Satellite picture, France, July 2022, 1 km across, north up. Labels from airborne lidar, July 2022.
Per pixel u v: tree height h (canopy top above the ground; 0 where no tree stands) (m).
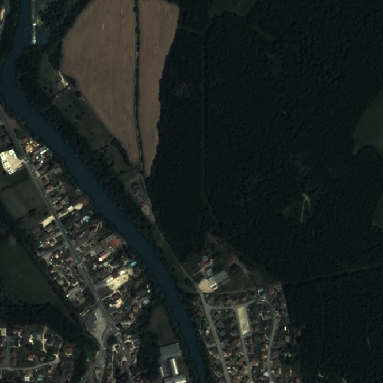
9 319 10
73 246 0
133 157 0
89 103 0
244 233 30
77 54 0
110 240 0
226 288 0
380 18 25
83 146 20
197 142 15
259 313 0
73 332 22
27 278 0
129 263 0
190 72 20
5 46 18
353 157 16
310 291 27
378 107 0
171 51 9
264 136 21
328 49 23
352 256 11
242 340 0
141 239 0
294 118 25
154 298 16
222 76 21
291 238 29
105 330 0
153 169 18
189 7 24
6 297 5
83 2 16
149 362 10
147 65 0
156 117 0
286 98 24
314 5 20
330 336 17
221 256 9
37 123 0
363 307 25
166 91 25
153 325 0
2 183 0
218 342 0
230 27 21
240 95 24
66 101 0
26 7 0
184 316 0
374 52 22
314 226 19
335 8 28
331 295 20
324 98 28
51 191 0
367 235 12
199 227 15
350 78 24
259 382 0
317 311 19
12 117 12
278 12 31
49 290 0
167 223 15
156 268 0
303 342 19
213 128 14
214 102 23
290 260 27
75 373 8
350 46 31
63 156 0
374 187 16
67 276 8
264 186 25
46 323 21
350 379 20
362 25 22
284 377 0
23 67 14
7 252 0
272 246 30
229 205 25
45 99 16
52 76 0
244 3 0
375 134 0
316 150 17
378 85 21
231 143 21
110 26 0
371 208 16
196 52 27
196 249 22
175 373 0
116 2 0
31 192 0
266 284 0
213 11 0
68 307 9
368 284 30
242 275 0
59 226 0
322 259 19
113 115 0
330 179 18
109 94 0
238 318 0
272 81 28
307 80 26
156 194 14
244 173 17
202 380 0
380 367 15
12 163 0
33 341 0
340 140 16
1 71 0
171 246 9
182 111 22
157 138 0
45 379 7
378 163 17
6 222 20
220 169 19
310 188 20
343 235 12
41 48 11
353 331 16
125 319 0
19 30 0
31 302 0
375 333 13
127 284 0
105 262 0
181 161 17
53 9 17
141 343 0
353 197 15
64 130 20
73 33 0
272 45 7
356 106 22
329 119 18
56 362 0
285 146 24
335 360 16
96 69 0
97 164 18
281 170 31
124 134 0
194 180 12
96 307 0
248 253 27
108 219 0
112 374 0
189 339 0
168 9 0
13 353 0
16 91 0
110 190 20
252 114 20
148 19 0
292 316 21
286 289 24
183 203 13
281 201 29
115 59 0
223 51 22
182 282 0
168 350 0
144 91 0
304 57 21
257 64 20
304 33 24
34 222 0
